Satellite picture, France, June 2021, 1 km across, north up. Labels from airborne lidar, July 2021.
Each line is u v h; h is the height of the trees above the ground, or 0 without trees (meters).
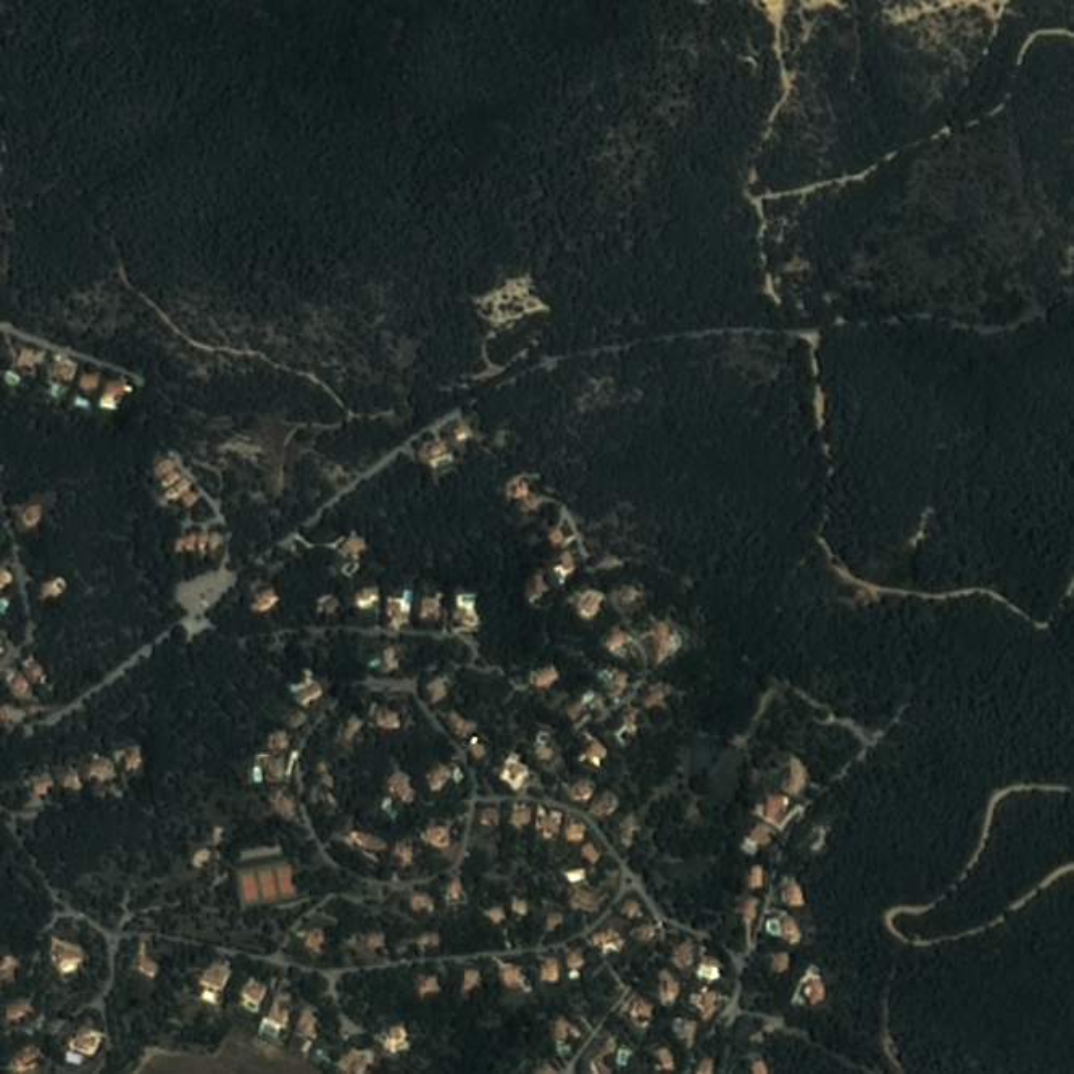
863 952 6
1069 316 14
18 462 8
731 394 8
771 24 7
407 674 7
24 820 10
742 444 11
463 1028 12
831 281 13
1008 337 11
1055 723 13
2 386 8
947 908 11
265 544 11
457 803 6
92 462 9
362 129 8
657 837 11
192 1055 0
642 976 11
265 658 11
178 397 10
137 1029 10
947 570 11
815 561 9
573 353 6
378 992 9
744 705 9
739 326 10
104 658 9
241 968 8
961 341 13
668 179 6
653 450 10
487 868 9
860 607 7
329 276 12
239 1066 0
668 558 13
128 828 9
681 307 11
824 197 8
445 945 9
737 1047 7
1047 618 10
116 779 8
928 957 8
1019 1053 7
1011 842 8
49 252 6
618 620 8
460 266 11
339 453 7
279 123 10
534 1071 6
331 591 13
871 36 9
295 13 8
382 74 8
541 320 7
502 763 8
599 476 6
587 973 8
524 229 12
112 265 7
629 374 7
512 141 9
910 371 16
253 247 12
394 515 8
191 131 9
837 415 9
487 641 10
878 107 10
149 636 9
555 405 7
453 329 10
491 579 9
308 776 9
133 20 14
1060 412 8
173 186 8
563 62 9
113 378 9
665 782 8
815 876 6
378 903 6
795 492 10
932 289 8
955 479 12
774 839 8
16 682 0
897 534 6
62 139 11
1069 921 5
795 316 13
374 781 7
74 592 5
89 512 7
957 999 6
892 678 11
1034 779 9
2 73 9
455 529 9
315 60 9
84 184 10
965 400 12
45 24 10
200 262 9
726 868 8
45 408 8
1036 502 11
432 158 13
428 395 10
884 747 10
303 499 10
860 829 7
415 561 9
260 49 12
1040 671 11
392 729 7
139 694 9
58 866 9
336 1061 6
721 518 7
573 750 8
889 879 7
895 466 9
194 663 10
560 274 9
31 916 8
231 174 7
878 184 8
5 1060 8
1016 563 12
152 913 7
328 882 9
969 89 8
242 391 8
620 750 7
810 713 8
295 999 12
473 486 8
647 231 11
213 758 8
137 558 8
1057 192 7
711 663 7
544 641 7
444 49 8
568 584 10
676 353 11
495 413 9
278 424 0
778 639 12
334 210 10
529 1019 10
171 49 8
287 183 8
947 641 11
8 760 10
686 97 13
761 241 9
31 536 10
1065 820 13
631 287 8
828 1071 9
